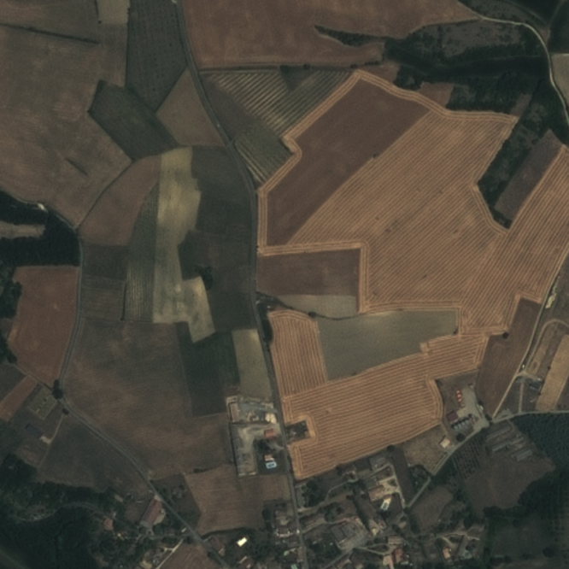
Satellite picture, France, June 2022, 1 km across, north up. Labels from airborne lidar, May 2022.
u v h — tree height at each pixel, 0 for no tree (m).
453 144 0
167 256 0
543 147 0
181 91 0
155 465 0
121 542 7
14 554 0
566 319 0
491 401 0
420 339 0
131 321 0
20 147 0
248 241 0
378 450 0
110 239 0
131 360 0
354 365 0
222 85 0
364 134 0
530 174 0
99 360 0
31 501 8
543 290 0
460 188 0
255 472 0
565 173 0
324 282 0
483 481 0
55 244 19
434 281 0
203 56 0
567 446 13
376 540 8
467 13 0
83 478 0
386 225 0
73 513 16
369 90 0
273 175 0
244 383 0
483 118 0
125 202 0
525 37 7
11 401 0
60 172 0
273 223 0
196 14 0
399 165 0
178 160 0
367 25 0
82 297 0
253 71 0
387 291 0
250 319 0
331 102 0
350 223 0
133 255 0
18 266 8
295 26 0
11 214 14
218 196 0
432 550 0
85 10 0
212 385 0
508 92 11
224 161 0
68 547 17
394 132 0
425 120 0
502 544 0
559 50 0
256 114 0
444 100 0
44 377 0
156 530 18
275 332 0
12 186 0
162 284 0
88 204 0
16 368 0
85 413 0
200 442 0
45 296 0
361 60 0
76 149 0
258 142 0
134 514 0
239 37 0
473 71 0
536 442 15
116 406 0
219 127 0
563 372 0
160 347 0
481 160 0
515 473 0
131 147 0
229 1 0
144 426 0
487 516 13
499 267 0
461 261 0
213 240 0
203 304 0
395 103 0
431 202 0
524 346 0
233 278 0
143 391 0
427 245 0
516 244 0
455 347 0
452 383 0
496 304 0
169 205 0
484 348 0
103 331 0
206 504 0
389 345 0
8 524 20
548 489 15
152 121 0
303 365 0
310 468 0
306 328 0
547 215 0
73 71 0
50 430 0
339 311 0
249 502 0
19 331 0
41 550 17
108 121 0
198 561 0
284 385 0
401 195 0
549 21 0
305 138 0
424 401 0
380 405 0
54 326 0
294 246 0
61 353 0
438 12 0
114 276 0
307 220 0
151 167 0
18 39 0
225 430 0
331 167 0
